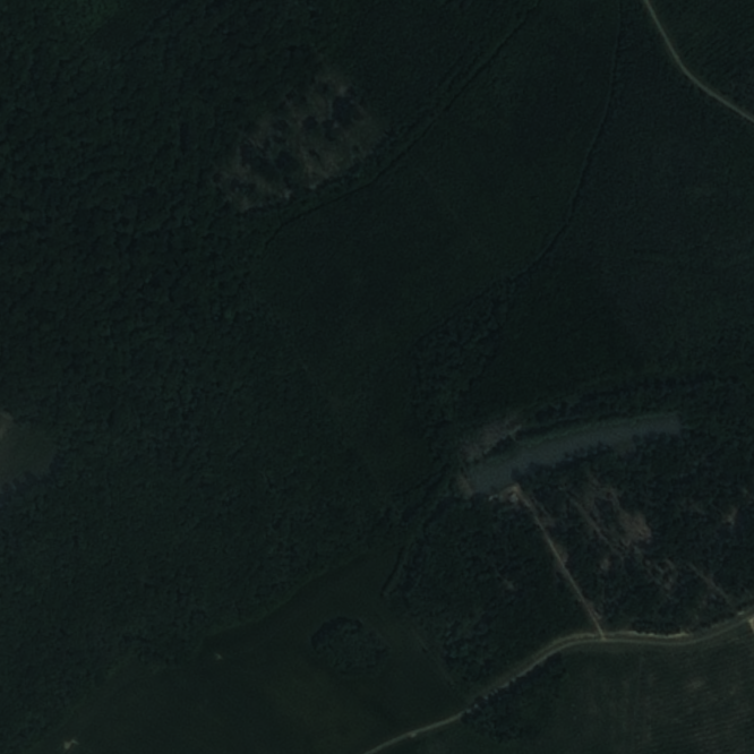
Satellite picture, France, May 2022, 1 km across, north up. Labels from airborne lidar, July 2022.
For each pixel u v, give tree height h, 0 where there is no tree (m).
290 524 26
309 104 21
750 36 6
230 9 26
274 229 10
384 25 15
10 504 24
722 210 17
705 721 0
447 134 7
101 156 25
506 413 27
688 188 18
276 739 0
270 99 26
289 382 23
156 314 27
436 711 0
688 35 6
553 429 21
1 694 22
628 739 0
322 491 22
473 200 5
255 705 0
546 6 11
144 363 30
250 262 25
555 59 8
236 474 25
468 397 25
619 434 0
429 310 8
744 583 21
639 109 18
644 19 16
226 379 20
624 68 12
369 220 6
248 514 24
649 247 18
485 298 10
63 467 22
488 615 27
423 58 15
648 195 19
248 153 27
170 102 24
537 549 25
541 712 7
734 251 17
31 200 27
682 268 20
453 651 23
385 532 17
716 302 15
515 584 22
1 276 31
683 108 20
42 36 20
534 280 21
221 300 19
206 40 22
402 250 6
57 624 19
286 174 23
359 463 24
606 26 8
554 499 35
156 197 29
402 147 12
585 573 21
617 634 0
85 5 13
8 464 0
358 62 15
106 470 25
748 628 0
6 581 21
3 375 26
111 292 26
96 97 21
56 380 23
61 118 21
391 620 0
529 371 27
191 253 28
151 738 0
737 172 16
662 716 0
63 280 26
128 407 21
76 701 22
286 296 6
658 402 22
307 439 23
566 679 12
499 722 31
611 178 18
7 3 24
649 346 19
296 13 23
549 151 6
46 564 22
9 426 0
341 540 20
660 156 17
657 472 24
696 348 23
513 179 6
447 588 25
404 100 16
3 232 16
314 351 7
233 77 31
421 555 18
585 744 0
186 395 26
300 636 0
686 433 11
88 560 22
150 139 17
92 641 28
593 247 18
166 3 11
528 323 23
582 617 20
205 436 24
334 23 22
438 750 0
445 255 5
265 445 20
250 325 25
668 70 20
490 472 0
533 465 0
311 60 29
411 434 8
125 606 25
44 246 28
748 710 0
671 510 26
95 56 12
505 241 7
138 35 8
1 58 23
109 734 0
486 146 5
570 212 9
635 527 0
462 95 9
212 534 25
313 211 7
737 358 19
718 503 29
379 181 6
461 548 24
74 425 23
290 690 0
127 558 23
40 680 27
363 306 6
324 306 6
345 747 0
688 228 19
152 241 28
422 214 6
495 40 16
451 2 21
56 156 24
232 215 24
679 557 24
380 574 0
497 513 17
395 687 0
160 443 19
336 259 6
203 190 26
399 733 0
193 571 28
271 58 21
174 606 23
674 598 26
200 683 0
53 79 18
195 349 21
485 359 20
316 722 0
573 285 23
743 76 10
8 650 23
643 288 20
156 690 0
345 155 0
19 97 19
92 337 23
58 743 0
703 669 0
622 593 21
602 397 22
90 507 21
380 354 5
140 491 22
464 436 28
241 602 24
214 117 22
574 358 21
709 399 24
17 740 27
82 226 27
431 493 21
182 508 22
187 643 28
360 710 0
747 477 30
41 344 28
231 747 0
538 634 20
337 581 0
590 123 8
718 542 24
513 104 10
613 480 24
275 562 27
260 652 0
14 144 15
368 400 6
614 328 25
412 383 7
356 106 26
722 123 20
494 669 24
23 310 28
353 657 27
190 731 0
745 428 22
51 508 26
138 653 19
